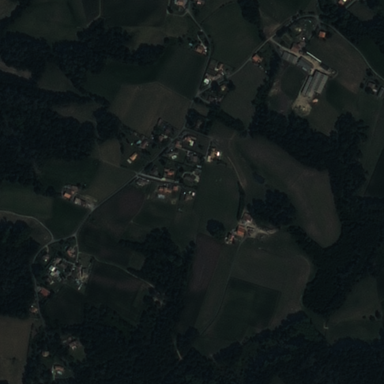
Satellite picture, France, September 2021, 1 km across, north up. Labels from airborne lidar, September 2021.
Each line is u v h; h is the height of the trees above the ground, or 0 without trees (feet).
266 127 92
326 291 37
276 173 0
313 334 91
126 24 0
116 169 0
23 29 0
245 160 0
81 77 67
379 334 0
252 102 30
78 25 0
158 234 33
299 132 73
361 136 26
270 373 70
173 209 0
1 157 75
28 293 75
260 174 0
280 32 37
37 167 77
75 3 0
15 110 56
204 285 0
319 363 45
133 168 0
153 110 0
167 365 59
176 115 0
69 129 77
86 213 0
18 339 0
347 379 60
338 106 0
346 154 68
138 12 0
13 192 0
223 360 86
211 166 0
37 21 0
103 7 0
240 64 0
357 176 70
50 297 22
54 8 0
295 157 54
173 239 0
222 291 0
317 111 0
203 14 0
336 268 34
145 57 76
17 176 53
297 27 0
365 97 0
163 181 0
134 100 0
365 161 0
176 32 0
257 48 0
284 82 0
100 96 0
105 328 39
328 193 0
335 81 0
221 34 0
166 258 112
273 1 0
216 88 62
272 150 0
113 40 49
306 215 0
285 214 77
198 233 0
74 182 0
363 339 0
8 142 33
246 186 0
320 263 31
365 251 59
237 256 0
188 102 0
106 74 0
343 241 28
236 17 0
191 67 0
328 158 85
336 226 0
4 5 0
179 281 72
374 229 64
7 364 0
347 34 72
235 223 0
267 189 0
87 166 0
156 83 0
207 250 0
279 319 0
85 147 63
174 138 0
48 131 75
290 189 0
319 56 0
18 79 53
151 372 69
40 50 85
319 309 34
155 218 0
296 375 84
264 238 0
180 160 0
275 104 0
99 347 84
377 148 0
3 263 65
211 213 0
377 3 68
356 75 0
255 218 91
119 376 55
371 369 86
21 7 31
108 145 0
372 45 0
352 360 71
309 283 23
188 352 59
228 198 0
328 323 0
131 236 0
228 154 0
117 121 62
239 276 0
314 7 0
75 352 0
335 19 37
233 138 0
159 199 0
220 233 82
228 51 0
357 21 47
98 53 52
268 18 0
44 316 34
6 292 36
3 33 35
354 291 0
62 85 0
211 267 0
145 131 0
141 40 0
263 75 0
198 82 0
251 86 0
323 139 52
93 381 55
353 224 24
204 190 0
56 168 0
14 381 0
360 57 0
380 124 0
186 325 0
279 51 0
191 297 0
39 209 0
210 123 37
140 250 51
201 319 0
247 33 0
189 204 0
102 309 33
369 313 0
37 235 0
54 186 0
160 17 0
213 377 88
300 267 0
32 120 69
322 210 0
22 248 83
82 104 47
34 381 57
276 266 0
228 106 0
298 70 0
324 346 74
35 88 56
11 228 71
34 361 28
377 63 0
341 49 0
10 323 0
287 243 0
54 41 0
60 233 0
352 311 0
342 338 0
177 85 0
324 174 0
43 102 85
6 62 71
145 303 32
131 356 66
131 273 33
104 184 0
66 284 0
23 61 80
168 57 0
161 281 37
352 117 56
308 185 0
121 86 0
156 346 75
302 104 0
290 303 0
